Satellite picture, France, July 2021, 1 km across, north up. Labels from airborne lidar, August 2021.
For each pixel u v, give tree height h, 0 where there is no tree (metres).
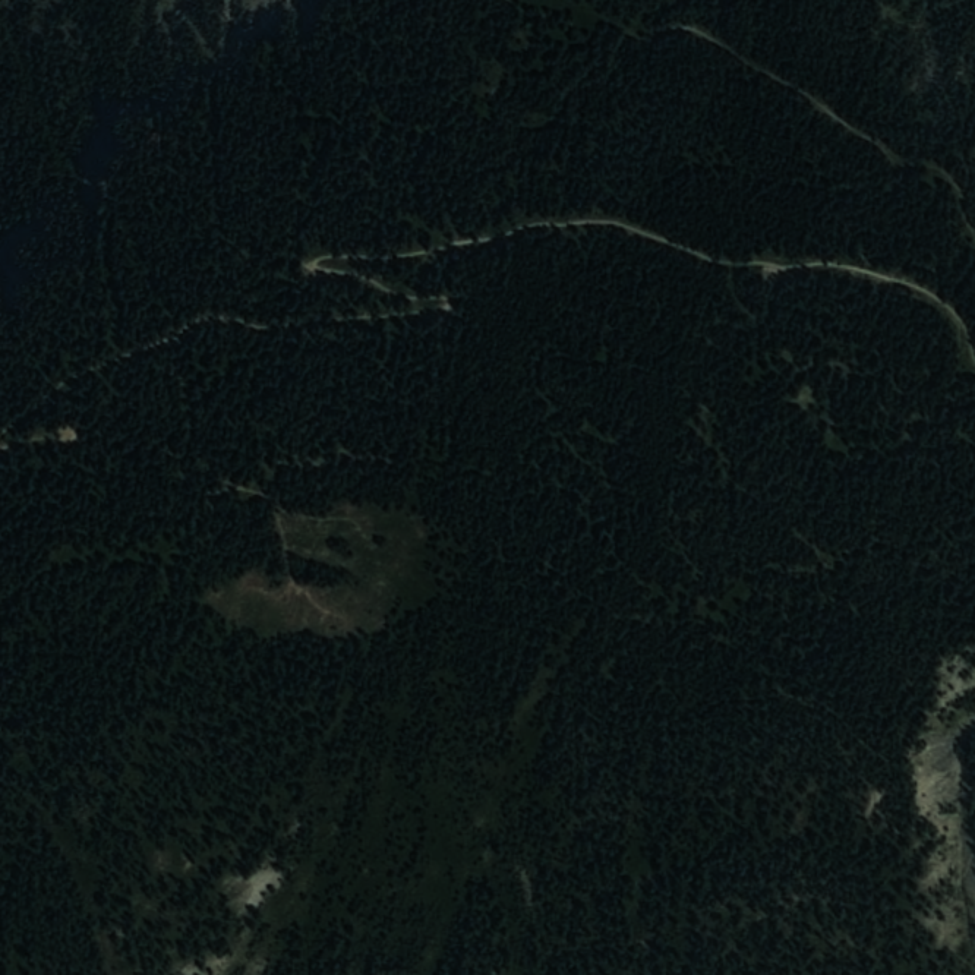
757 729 6
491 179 27
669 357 16
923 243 18
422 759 6
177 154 24
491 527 14
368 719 13
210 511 20
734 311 9
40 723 13
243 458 19
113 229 20
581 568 20
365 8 26
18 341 26
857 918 17
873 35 18
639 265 17
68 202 17
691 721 19
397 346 13
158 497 16
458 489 17
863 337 20
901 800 9
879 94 22
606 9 20
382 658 13
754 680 7
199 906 24
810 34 23
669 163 17
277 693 17
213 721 20
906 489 16
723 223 22
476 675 10
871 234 18
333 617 0
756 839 24
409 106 24
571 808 10
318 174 24
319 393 20
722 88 15
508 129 25
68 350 21
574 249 18
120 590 22
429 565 9
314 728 16
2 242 12
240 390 21
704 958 21
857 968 17
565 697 13
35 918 22
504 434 20
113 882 18
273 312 13
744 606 12
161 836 24
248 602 0
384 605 0
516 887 8
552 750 24
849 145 17
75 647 22
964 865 0
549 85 13
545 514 19
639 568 19
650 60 21
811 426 19
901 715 11
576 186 12
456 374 17
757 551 16
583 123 9
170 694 24
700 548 14
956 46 12
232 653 20
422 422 24
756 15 10
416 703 7
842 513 17
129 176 21
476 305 19
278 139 27
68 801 22
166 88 10
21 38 13
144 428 15
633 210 17
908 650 14
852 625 23
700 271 21
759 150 23
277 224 25
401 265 22
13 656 18
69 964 15
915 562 17
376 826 0
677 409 11
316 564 15
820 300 20
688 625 18
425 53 28
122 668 11
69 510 17
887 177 17
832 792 16
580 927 6
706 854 14
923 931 10
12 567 24
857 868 14
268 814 26
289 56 21
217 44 8
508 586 16
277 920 0
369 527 0
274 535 13
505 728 11
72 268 16
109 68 15
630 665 17
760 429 23
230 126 26
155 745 19
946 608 19
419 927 5
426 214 27
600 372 15
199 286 13
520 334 19
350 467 19
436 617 11
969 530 24
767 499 20
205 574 23
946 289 21
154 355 16
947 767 0
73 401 30
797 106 23
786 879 25
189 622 8
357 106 28
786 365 15
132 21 10
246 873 28
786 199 22
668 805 23
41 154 25
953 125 9
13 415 21
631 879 27
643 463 18
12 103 20
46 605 19
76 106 14
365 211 29
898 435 28
